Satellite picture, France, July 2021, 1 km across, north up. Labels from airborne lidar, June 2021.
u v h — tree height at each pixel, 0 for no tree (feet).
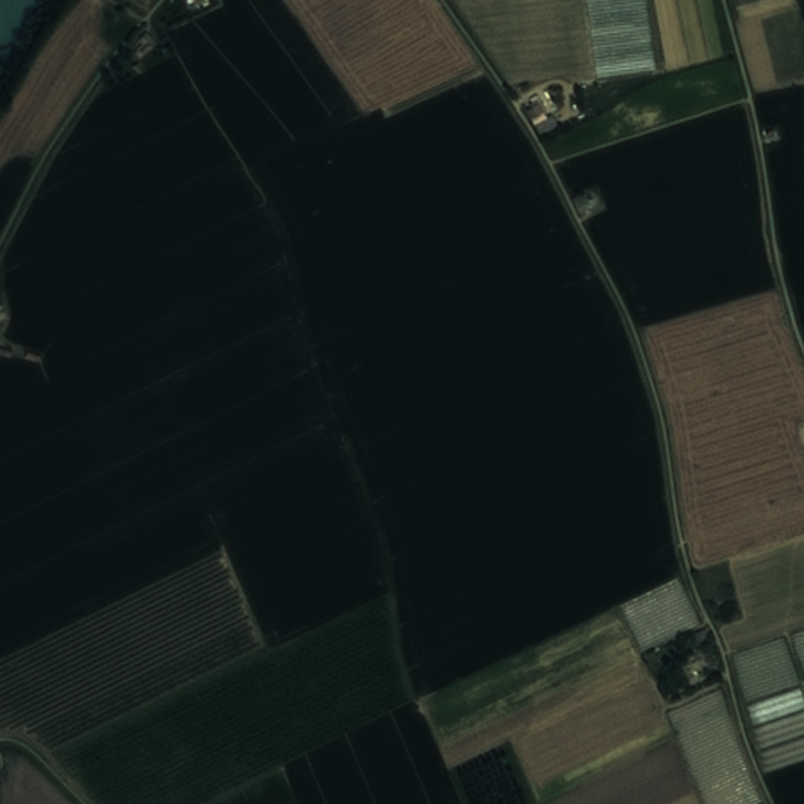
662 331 0
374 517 0
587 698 0
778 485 0
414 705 0
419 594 0
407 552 0
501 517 0
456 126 0
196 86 0
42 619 0
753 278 0
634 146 0
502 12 0
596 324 0
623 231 0
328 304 0
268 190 0
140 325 0
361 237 0
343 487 0
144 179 0
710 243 0
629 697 0
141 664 0
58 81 0
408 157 0
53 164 0
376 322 0
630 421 0
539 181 0
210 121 0
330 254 0
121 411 0
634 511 0
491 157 0
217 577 0
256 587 0
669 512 0
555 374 0
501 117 0
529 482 0
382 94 0
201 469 0
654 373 0
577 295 0
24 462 0
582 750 0
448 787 0
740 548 0
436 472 0
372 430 0
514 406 0
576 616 0
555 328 0
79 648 0
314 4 0
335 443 0
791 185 0
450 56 0
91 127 0
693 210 0
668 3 0
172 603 0
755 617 0
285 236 0
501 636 0
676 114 0
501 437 0
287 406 0
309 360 0
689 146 0
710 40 0
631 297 0
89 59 0
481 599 0
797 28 0
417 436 0
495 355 0
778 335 0
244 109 0
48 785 0
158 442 0
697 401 0
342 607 0
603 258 0
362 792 0
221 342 0
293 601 0
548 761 0
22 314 0
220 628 0
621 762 0
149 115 0
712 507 0
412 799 0
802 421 0
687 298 0
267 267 0
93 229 0
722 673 32
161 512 0
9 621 0
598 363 0
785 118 0
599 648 0
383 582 0
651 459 0
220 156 0
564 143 0
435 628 0
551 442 0
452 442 0
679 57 0
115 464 0
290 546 0
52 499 0
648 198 0
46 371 0
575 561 0
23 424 0
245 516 0
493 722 0
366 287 0
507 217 0
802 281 0
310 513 0
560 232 0
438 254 0
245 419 0
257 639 0
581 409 0
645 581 0
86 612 0
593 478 0
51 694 0
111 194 0
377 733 0
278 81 0
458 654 0
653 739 0
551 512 0
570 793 0
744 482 0
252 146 0
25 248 0
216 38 0
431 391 0
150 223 0
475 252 0
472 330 0
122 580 0
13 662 0
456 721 0
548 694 0
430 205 0
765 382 0
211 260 0
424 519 0
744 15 0
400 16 0
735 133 0
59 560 0
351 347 0
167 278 0
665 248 0
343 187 0
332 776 0
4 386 0
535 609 0
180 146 0
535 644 0
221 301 0
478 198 0
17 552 0
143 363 0
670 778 0
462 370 0
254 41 0
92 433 0
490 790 79
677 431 0
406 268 0
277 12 0
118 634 0
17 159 0
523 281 0
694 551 0
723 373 0
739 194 0
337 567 0
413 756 0
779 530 0
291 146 0
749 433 0
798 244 0
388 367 0
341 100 0
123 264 0
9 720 0
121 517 0
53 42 0
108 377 0
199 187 0
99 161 0
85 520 0
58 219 0
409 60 0
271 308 0
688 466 0
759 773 0
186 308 0
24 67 73
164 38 27
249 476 0
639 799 0
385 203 0
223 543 0
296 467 0
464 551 0
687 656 26
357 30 0
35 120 0
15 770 0
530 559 0
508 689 0
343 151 0
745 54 0
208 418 0
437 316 0
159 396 0
